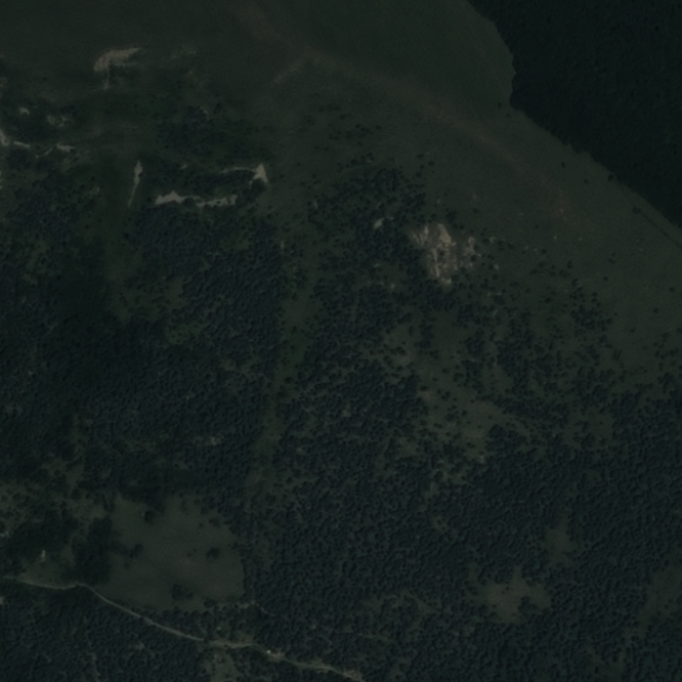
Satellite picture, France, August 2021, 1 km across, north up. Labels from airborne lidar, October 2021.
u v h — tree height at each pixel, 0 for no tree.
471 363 6
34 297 12
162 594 0
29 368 9
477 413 0
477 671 6
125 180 0
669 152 16
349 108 0
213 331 9
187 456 11
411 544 12
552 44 19
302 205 0
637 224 0
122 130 0
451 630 7
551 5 19
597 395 10
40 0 0
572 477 12
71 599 13
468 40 0
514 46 13
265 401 8
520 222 0
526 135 0
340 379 8
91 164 0
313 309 0
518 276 0
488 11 15
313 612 10
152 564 0
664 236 0
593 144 13
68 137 0
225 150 0
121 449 13
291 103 0
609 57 20
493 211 0
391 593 9
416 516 7
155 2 0
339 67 0
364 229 8
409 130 0
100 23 0
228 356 7
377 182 8
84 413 7
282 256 7
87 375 7
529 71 18
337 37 0
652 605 0
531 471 12
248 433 9
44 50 0
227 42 0
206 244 8
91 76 0
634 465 12
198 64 0
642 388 7
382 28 0
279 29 0
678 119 22
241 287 10
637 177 13
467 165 0
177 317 6
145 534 0
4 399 12
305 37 0
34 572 0
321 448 7
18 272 10
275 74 0
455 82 0
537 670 11
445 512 11
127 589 0
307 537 10
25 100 0
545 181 0
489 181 0
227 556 0
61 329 7
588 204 0
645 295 0
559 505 10
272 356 12
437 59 0
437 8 0
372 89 0
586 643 14
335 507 8
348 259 6
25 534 9
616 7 20
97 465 8
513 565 11
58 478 7
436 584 9
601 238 0
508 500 11
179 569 0
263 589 10
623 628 11
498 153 0
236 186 6
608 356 0
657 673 7
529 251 0
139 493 7
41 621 9
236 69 0
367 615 6
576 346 0
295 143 0
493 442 5
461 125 0
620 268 0
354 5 0
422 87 0
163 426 9
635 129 18
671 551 13
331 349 10
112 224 0
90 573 7
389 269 0
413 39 0
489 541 11
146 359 9
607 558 7
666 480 9
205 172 0
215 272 9
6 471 10
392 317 9
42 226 7
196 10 0
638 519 6
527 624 6
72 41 0
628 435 12
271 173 0
